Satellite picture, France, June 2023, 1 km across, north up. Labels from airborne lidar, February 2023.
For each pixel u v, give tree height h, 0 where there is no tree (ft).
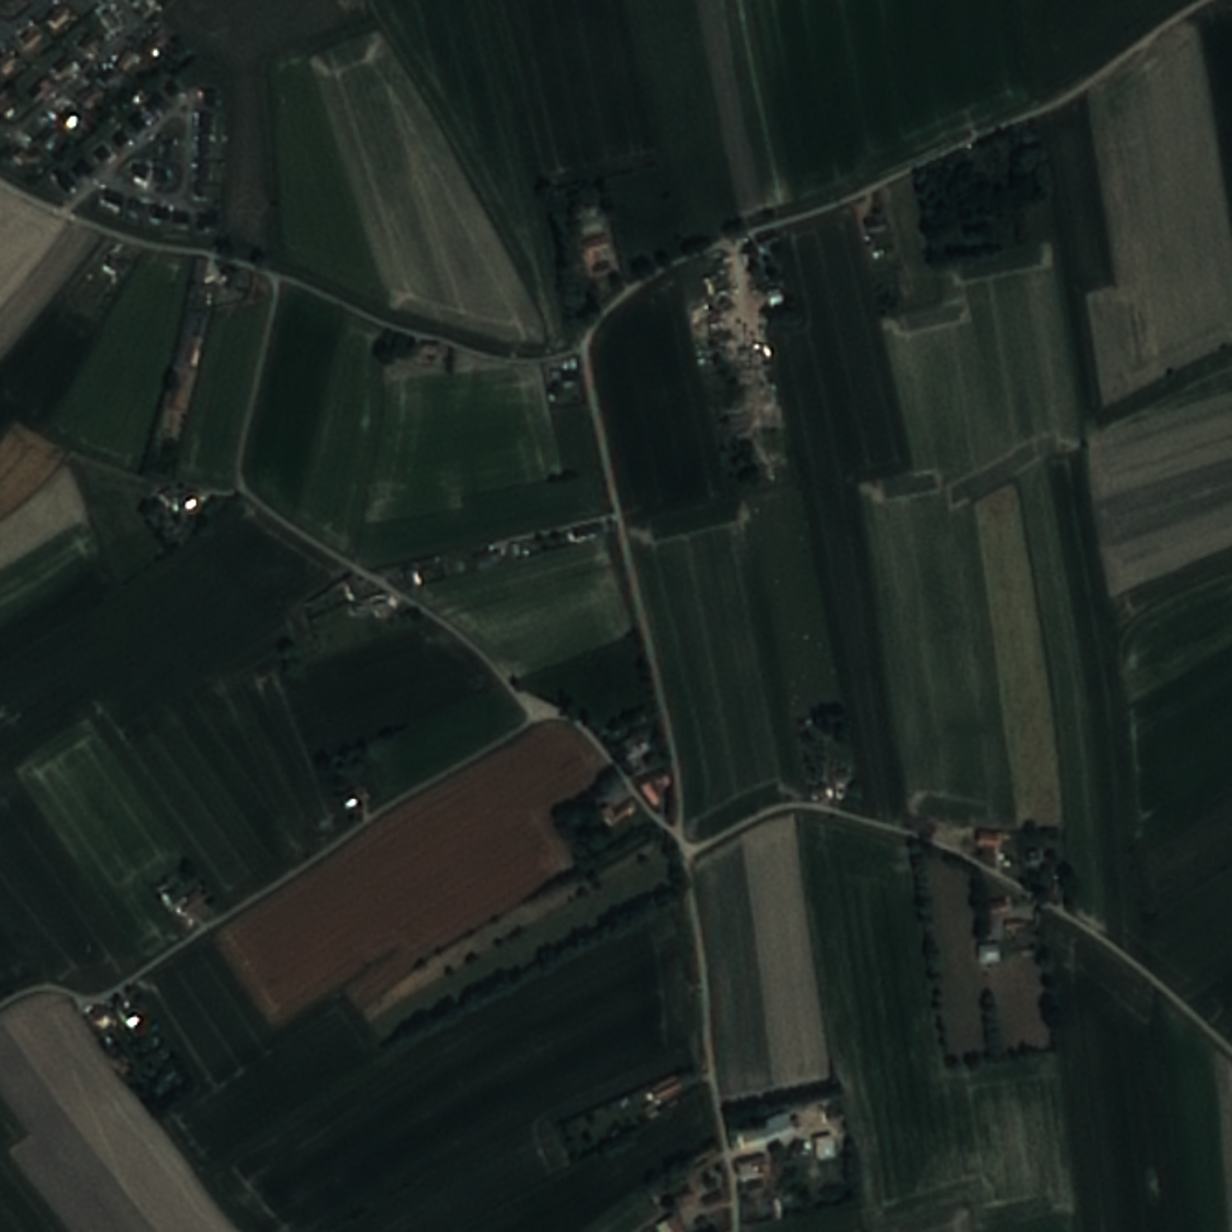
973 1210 0
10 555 0
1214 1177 0
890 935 0
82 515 0
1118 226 0
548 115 0
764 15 0
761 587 0
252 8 0
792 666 0
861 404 0
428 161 0
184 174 0
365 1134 0
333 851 0
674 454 0
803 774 0
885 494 0
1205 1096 0
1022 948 0
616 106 0
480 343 0
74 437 0
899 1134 0
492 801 0
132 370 0
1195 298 0
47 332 0
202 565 0
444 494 0
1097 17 0
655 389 0
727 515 0
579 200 21
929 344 0
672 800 23
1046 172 51
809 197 0
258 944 0
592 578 0
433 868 0
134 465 0
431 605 0
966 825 0
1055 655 0
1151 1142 0
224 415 0
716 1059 0
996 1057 41
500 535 0
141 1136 0
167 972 0
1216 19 0
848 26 0
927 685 0
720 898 0
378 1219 0
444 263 0
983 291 0
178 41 19
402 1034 38
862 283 0
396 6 0
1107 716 0
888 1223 0
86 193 0
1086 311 0
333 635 0
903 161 0
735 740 0
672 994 0
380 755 0
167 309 0
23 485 0
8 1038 0
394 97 0
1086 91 0
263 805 0
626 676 0
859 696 0
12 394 0
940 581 0
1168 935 0
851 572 0
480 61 0
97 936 0
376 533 0
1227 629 0
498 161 0
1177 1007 0
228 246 43
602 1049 0
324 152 0
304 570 0
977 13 0
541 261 0
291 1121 0
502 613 0
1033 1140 0
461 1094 0
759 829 0
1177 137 0
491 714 0
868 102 0
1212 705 0
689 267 0
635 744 0
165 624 0
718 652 0
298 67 0
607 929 44
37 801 0
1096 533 0
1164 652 0
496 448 0
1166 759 0
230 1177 0
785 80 0
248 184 0
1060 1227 0
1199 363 0
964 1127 0
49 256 0
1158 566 0
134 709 0
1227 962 0
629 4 0
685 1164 50
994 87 0
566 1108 0
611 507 0
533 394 0
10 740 0
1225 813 0
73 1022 0
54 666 0
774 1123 0
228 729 0
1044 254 0
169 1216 0
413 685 0
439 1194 0
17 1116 0
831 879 0
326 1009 0
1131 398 0
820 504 0
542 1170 0
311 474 0
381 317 0
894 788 0
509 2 0
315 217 0
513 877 0
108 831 0
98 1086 0
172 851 0
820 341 0
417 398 0
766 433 0
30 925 0
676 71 0
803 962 0
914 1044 0
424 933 0
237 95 0
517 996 0
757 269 38
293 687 0
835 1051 0
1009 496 0
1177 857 0
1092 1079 0
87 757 0
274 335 0
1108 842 0
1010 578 0
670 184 0
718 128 0
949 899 0
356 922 0
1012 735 0
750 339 0
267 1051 0
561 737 0
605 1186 0
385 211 0
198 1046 0
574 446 0
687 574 0
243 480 0
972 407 0
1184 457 0
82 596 0
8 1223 0
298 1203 0
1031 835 35
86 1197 0
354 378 0
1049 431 0
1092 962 0
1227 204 0
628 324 0
